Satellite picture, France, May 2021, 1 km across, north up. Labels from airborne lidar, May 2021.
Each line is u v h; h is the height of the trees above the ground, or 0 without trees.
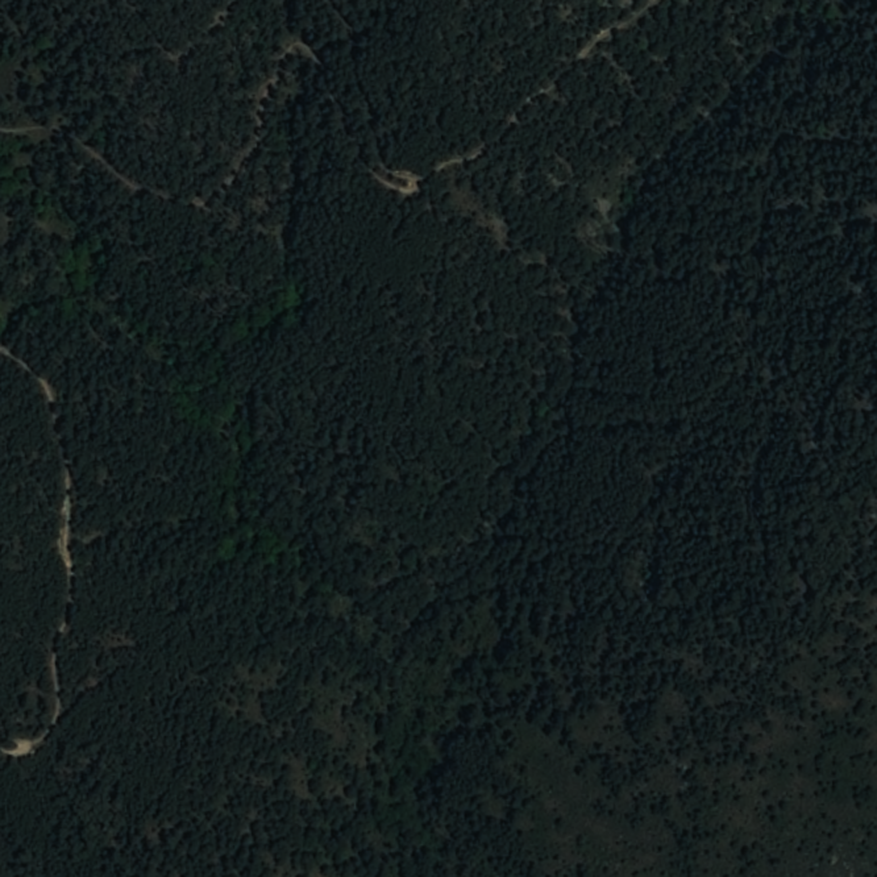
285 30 34
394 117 35
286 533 26
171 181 32
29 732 14
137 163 35
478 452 34
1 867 31
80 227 10
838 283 15
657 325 33
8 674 16
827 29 24
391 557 14
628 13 26
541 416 35
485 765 34
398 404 29
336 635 13
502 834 17
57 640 15
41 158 34
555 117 32
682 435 27
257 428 34
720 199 33
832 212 18
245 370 31
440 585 26
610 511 34
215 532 31
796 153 25
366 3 30
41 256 30
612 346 33
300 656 21
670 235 40
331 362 35
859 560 25
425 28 29
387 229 25
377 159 23
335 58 36
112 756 35
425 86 22
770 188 6
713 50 26
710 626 17
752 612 27
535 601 35
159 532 21
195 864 28
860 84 26
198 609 22
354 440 25
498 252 19
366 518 34
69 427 28
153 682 17
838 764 11
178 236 29
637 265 27
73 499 11
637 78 32
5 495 15
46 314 29
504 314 32
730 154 28
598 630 16
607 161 27
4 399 24
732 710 18
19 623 20
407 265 24
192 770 15
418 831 15
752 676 14
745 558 23
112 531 23
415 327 24
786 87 25
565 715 19
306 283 33
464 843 8
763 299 17
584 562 33
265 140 28
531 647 28
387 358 26
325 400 25
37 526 16
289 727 17
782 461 20
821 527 27
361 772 24
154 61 26
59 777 37
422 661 13
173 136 28
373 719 20
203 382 26
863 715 16
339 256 27
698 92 35
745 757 12
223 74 27
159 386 26
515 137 23
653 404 33
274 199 30
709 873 12
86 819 38
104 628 16
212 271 36
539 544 35
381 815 26
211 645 22
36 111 28
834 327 25
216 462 28
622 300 33
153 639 18
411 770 28
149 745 20
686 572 29
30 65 20
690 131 12
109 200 33
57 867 22
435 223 19
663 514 27
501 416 32
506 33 22
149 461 27
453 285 31
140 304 33
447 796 36
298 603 36
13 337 26
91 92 37
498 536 19
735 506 27
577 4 23
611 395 35
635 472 33
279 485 26
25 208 31
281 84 15
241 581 32
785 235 21
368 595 32
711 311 34
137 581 22
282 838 21
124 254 30
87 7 36
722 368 27
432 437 35
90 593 16
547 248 32
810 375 15
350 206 25
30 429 20
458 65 16
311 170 35
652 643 22
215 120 31
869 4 28
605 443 33
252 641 23
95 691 18
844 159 24
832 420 21
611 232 18
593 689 21
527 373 27
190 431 26
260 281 31
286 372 30
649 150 27
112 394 28
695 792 18
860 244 22
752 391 18
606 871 11
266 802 21
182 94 27
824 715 14
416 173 21
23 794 17
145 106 32
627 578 33
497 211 10
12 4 15
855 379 15
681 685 16
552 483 37
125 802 20
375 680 31
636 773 18
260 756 25
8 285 26
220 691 21
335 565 38
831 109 19
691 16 28
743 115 29
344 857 9
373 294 27
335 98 33
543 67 29
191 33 25
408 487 29
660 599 32
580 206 10
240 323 28
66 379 21
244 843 26
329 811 30
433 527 29
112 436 22
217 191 36
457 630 17
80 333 30
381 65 33
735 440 19
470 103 21
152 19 28
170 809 21
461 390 32
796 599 22
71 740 19
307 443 35
